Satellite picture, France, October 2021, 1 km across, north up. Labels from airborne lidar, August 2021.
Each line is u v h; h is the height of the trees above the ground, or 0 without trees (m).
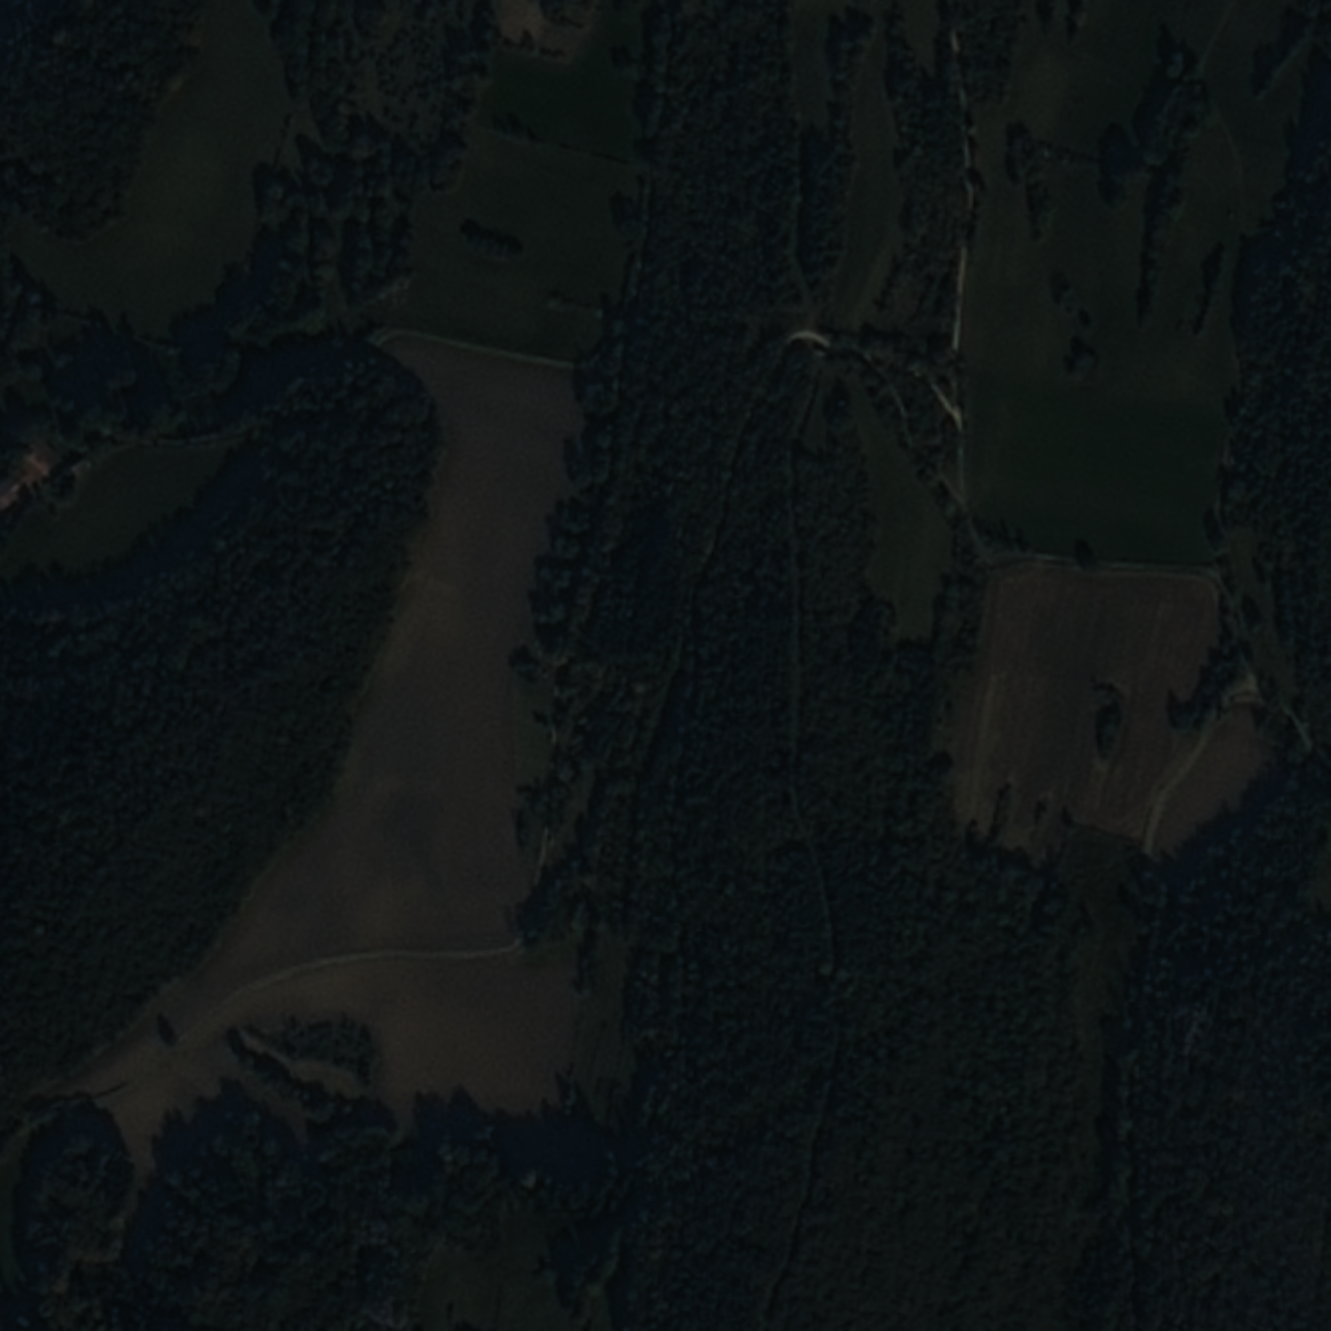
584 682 13
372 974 0
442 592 0
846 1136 13
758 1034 14
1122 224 0
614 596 18
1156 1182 19
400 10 0
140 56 24
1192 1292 14
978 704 0
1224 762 0
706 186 10
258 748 11
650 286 8
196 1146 10
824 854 12
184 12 22
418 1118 0
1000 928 12
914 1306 13
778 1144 11
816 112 0
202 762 10
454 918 0
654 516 6
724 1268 14
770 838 6
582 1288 14
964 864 14
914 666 16
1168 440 0
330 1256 26
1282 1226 6
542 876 0
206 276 0
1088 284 0
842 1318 15
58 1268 23
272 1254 25
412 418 17
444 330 0
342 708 16
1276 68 9
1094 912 0
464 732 0
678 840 15
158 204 0
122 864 7
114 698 19
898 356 11
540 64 0
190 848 10
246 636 11
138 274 0
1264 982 17
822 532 9
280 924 0
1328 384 17
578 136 0
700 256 11
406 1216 21
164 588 24
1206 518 0
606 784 12
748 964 15
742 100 10
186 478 0
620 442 14
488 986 0
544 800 9
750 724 15
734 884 14
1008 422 0
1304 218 10
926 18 0
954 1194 7
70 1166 19
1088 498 0
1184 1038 26
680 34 10
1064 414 0
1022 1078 19
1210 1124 11
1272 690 8
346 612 14
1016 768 0
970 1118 12
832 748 12
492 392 0
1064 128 0
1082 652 0
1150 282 8
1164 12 0
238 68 0
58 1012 6
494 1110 0
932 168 13
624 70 12
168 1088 0
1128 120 0
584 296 0
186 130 0
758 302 8
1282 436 13
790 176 10
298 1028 6
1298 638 11
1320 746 9
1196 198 0
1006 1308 13
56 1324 23
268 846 18
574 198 0
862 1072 18
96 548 0
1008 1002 14
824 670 10
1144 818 0
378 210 14
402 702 0
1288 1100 6
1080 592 0
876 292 0
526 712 0
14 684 25
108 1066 0
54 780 16
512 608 0
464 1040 0
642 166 11
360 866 0
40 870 15
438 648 0
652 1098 11
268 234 0
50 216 13
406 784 0
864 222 0
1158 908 18
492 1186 16
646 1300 20
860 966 16
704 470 15
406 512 17
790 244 7
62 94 19
